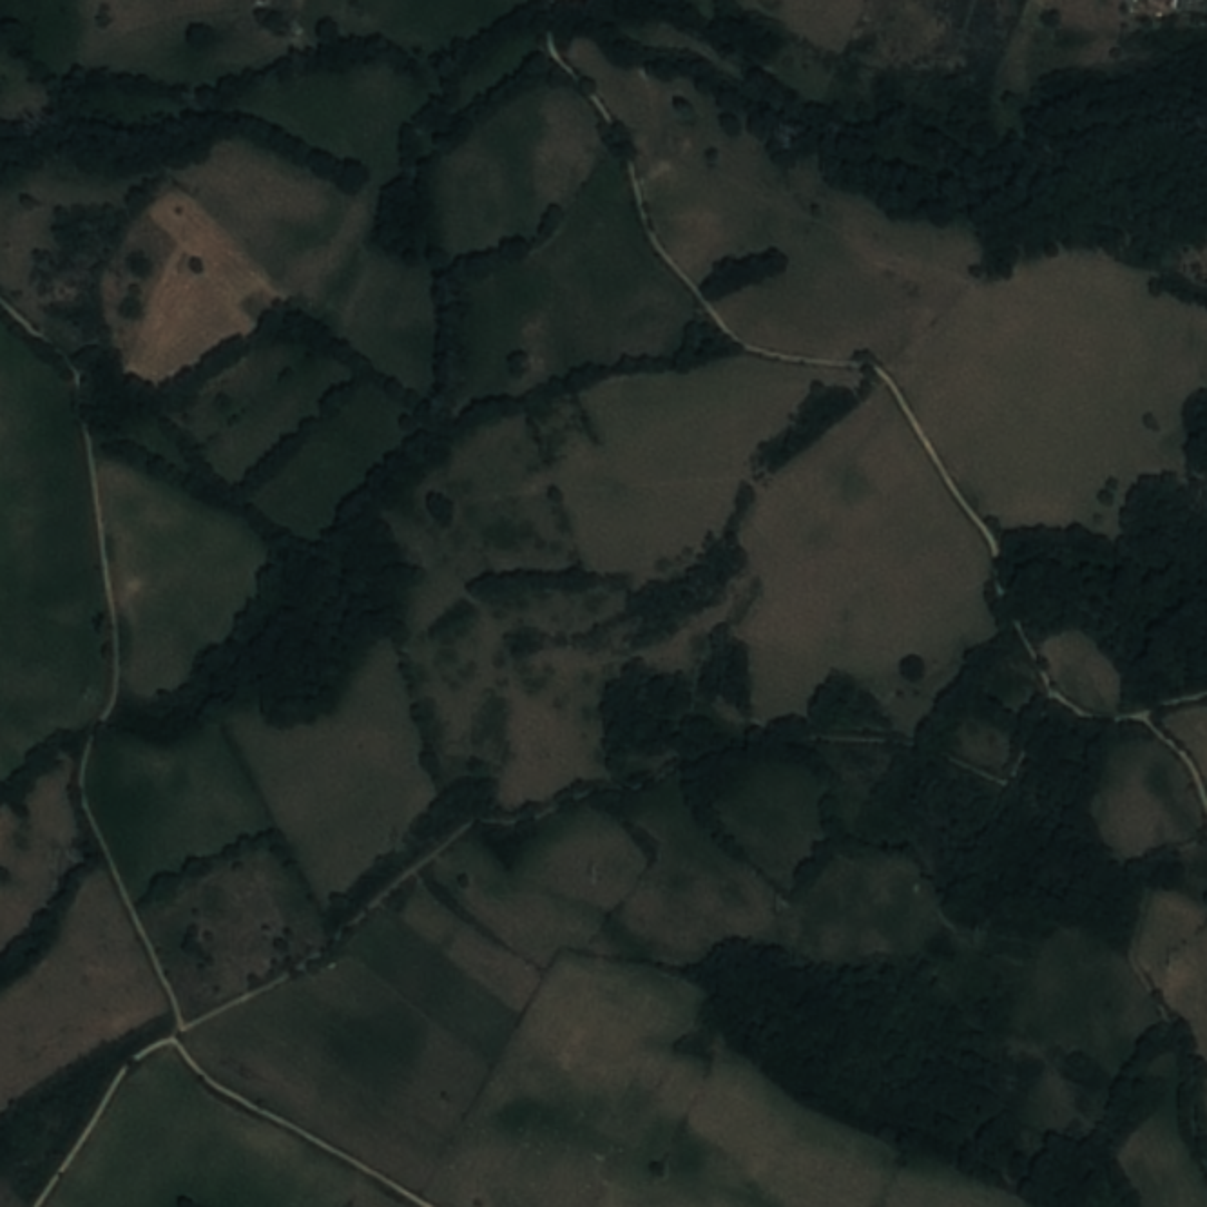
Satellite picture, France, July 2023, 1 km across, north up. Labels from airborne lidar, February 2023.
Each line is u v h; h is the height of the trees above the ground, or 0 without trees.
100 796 0
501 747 0
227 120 17
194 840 0
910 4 0
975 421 0
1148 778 0
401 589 9
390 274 0
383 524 13
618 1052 0
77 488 0
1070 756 8
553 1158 0
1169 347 0
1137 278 0
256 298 0
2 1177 0
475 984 0
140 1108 0
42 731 0
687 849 0
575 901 0
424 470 14
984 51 0
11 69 0
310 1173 0
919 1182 0
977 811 10
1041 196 13
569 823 0
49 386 0
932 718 9
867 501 0
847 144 19
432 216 12
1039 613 8
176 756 0
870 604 0
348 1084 0
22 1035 0
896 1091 12
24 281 0
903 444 0
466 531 0
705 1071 0
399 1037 0
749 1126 0
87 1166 0
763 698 0
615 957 0
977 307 0
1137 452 0
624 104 0
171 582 0
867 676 0
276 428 0
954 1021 11
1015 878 19
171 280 0
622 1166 0
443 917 0
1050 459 0
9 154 15
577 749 0
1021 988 0
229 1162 0
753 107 17
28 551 0
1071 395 0
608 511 0
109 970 0
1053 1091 0
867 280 0
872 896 0
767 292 0
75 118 9
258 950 0
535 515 0
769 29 7
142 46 0
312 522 0
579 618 0
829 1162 0
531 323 0
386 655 0
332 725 0
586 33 12
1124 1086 16
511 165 0
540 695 0
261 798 0
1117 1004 0
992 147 8
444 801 7
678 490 0
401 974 0
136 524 0
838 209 0
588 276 0
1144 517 17
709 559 7
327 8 0
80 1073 7
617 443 0
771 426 0
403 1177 0
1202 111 19
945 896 11
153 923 0
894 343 0
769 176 0
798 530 0
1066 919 14
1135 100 17
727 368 0
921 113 7
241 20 0
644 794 6
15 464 0
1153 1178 0
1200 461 16
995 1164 16
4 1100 0
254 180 0
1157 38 7
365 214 0
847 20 0
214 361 17
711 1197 0
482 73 0
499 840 9
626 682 8
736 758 20
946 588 0
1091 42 0
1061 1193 16
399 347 0
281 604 12
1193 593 16
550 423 0
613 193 0
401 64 25
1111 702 0
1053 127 12
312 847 0
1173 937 0
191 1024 0
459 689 0
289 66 14
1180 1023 7
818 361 0
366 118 0
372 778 0
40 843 0
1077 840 10
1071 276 0
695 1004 0
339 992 0
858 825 0
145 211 8
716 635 10
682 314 0
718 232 0
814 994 14
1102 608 16
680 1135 0
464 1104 0
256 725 0
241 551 0
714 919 0
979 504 0
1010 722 17
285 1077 0
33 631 0
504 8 0
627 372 8
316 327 20
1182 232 11
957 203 14
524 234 0
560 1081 0
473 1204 0
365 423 0
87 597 0
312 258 0
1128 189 14
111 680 0
